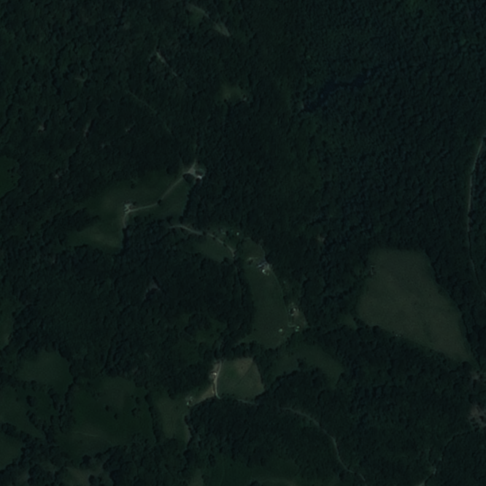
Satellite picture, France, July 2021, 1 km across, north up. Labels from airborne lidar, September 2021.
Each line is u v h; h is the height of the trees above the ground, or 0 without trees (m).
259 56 17
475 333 13
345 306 19
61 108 10
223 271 20
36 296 24
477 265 8
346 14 11
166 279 30
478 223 18
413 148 18
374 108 10
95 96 26
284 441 14
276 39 14
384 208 24
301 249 24
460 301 12
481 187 17
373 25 6
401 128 15
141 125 21
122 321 27
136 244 23
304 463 18
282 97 21
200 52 17
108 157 25
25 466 22
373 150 13
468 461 11
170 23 25
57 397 20
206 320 18
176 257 27
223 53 22
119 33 26
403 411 22
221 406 21
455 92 10
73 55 28
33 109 7
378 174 9
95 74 28
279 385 14
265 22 19
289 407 11
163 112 17
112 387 0
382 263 0
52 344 21
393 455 9
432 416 21
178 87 24
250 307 21
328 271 24
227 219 19
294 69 20
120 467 14
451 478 14
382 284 0
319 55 17
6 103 10
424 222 19
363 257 18
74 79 34
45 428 22
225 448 14
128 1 25
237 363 0
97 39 15
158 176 0
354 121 8
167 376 17
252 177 16
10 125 26
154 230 21
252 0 20
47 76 31
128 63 25
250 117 22
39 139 22
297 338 10
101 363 13
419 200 20
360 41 10
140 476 22
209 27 11
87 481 0
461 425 15
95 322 21
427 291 0
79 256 20
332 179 12
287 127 23
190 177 23
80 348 19
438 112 17
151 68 30
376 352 23
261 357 17
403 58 9
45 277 22
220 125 19
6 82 25
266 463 15
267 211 21
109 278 27
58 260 19
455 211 11
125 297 28
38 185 13
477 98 20
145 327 16
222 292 24
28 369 0
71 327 15
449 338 0
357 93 15
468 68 20
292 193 8
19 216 29
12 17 32
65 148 27
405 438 10
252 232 11
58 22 23
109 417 0
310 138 17
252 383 0
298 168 15
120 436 0
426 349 10
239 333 20
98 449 0
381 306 0
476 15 15
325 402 19
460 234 11
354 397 10
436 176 19
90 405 0
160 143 20
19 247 27
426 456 9
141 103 16
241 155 12
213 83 23
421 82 22
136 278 34
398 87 20
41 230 11
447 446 10
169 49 22
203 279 24
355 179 18
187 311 22
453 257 21
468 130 19
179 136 20
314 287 29
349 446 24
